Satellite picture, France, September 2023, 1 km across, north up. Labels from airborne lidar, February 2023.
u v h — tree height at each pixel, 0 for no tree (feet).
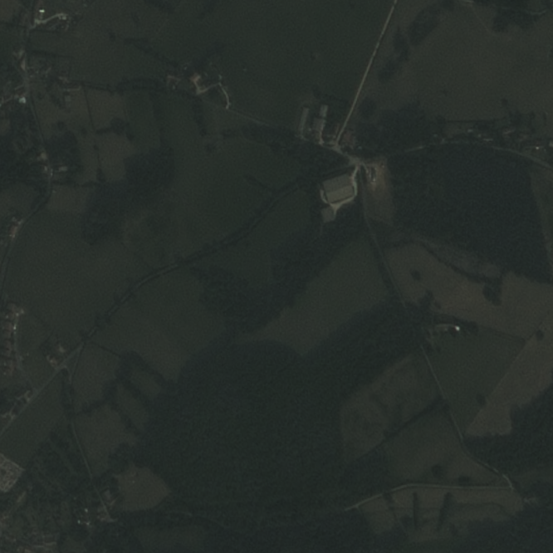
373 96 0
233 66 0
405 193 24
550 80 0
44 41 0
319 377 56
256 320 63
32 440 0
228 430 40
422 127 56
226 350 67
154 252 0
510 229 93
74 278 0
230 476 30
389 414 0
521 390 0
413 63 0
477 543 52
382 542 62
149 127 0
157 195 0
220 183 0
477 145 36
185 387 64
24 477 22
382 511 0
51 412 0
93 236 53
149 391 0
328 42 0
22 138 58
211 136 0
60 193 0
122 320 0
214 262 0
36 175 18
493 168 91
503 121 0
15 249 0
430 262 0
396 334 45
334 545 54
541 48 0
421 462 0
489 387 0
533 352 0
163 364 0
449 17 0
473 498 0
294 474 78
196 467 41
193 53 0
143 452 58
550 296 0
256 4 0
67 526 0
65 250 0
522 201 104
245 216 0
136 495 0
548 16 0
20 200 0
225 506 59
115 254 0
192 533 0
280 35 0
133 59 0
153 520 60
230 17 0
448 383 0
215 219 0
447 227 36
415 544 0
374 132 62
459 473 0
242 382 44
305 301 0
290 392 42
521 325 0
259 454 49
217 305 42
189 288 0
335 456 69
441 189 0
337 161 51
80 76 0
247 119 0
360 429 0
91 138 0
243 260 0
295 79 0
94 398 0
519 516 33
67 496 25
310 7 0
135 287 59
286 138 29
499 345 0
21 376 0
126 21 0
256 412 57
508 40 0
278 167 0
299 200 0
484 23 0
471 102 0
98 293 0
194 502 35
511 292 0
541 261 82
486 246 84
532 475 0
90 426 0
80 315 0
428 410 27
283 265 41
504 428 0
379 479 33
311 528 60
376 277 0
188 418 38
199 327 0
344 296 0
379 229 0
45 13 0
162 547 0
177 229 0
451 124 0
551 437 25
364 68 0
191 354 0
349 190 0
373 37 0
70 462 39
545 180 0
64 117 0
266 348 53
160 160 36
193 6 0
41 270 0
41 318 0
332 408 70
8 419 0
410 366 0
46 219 0
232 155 0
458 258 0
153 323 0
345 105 39
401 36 41
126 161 0
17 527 0
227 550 58
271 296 55
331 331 0
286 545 66
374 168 0
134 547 70
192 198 0
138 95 0
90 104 0
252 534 37
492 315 0
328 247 41
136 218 0
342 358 45
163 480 56
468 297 0
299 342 0
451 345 0
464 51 0
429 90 0
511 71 0
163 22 0
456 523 0
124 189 65
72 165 49
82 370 0
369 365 52
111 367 0
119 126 60
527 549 58
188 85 0
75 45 0
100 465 0
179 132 0
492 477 0
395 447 0
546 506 38
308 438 55
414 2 0
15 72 24
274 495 67
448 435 0
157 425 51
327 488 45
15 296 0
